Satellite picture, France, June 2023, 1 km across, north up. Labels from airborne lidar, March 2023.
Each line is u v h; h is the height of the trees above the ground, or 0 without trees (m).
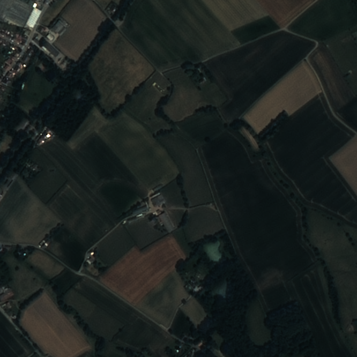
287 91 0
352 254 0
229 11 0
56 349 0
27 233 0
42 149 0
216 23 0
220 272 32
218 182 0
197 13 0
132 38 0
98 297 0
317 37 0
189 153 0
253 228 0
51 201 0
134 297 0
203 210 0
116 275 0
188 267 0
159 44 0
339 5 0
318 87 0
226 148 0
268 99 0
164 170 0
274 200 0
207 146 0
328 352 0
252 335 0
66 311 6
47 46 0
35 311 0
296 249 0
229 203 0
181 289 0
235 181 0
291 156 0
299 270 0
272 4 0
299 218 0
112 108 0
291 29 0
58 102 19
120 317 0
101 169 0
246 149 0
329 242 0
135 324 0
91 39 0
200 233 0
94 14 0
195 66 13
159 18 0
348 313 0
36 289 0
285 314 21
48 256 0
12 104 9
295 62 0
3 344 0
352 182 0
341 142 0
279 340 24
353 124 0
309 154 0
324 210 0
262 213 0
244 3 0
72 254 0
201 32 0
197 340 10
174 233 0
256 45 0
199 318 0
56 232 11
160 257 0
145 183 0
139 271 0
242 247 0
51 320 0
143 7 0
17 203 0
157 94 0
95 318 0
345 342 0
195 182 0
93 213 0
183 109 0
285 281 0
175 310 0
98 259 0
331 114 0
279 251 0
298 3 0
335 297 16
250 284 19
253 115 0
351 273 0
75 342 0
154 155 0
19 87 15
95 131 0
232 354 34
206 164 0
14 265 0
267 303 0
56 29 0
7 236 0
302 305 0
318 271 0
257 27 0
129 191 0
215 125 0
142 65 0
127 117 0
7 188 0
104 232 0
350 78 0
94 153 0
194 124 0
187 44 0
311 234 0
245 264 0
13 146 15
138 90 9
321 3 0
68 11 0
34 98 0
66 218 0
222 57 0
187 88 0
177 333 0
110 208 0
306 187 0
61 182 0
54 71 16
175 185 0
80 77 19
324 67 0
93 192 0
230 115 0
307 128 0
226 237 11
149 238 0
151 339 0
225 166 0
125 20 0
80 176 0
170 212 0
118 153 0
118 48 0
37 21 0
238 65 0
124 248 0
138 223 0
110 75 0
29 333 0
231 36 0
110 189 0
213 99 0
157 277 0
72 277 0
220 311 26
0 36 0
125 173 0
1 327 0
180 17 0
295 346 8
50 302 0
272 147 0
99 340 9
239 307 29
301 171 0
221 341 0
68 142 0
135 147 0
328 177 0
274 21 0
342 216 0
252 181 0
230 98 0
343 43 0
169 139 0
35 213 0
